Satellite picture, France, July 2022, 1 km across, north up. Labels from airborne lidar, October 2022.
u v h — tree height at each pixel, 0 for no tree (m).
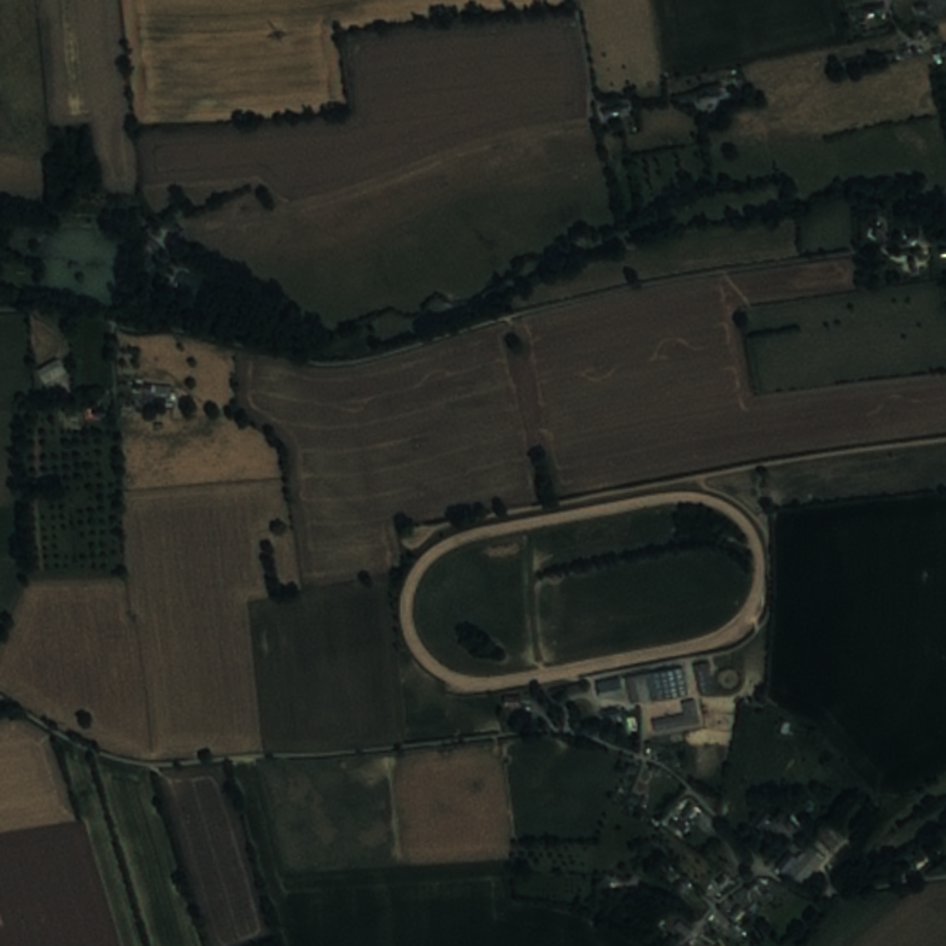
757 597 0
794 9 0
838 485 0
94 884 0
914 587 0
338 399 0
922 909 0
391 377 0
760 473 10
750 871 17
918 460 0
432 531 0
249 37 0
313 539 0
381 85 0
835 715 0
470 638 22
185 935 0
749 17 0
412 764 0
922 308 0
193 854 0
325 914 0
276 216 0
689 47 0
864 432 0
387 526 0
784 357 0
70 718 0
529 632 0
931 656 0
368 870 0
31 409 10
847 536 0
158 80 0
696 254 0
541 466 19
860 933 0
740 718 7
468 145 0
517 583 0
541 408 0
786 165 0
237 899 0
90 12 0
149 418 9
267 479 0
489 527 0
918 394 0
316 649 0
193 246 10
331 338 17
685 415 0
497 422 0
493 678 0
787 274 0
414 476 0
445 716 0
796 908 0
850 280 0
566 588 0
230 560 0
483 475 0
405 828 0
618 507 0
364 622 0
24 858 0
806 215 10
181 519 0
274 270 0
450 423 0
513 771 0
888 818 0
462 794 0
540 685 12
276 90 0
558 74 0
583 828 0
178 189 14
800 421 0
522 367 0
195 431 0
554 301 0
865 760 0
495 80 0
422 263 0
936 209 29
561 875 12
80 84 0
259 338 32
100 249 0
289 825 0
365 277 0
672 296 0
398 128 0
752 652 0
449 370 0
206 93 0
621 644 0
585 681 7
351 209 0
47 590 0
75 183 15
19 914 0
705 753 0
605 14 0
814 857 0
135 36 0
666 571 0
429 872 0
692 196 15
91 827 0
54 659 0
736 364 0
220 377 0
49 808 0
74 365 19
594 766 0
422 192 0
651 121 0
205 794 0
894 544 0
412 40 0
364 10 0
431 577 0
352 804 0
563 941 0
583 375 0
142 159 0
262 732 0
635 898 14
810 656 0
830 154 0
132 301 26
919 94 0
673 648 0
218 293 34
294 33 0
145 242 18
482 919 0
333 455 0
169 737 0
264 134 0
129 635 0
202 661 0
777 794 25
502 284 19
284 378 0
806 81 0
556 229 0
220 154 0
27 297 11
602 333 0
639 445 0
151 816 0
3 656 0
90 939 0
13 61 0
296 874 0
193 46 0
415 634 0
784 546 0
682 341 0
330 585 0
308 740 0
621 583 0
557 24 0
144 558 0
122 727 0
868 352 0
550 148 0
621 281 0
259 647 0
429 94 0
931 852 13
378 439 0
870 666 0
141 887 0
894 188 12
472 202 0
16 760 0
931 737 0
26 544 20
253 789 0
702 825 0
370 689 0
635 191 9
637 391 0
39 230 10
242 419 16
